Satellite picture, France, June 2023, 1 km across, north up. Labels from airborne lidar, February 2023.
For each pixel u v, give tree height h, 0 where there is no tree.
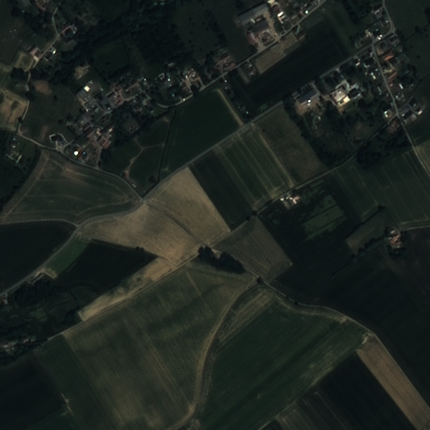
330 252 0
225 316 0
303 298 0
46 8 16
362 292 0
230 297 0
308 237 0
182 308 0
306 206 0
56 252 0
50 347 0
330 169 0
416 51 0
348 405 0
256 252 0
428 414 0
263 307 0
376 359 0
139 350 0
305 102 0
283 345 0
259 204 0
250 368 0
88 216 0
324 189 0
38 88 0
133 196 0
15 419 0
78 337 0
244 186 0
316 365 0
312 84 0
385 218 0
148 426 0
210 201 0
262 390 0
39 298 15
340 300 0
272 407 0
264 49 0
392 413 0
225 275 0
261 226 0
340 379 0
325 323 0
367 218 0
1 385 0
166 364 0
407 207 0
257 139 0
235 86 0
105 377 0
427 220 0
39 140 0
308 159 0
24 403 0
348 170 0
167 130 0
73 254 0
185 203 0
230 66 0
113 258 0
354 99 0
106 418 0
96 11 0
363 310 0
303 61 0
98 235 0
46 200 0
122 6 0
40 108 0
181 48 14
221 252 0
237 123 0
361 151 16
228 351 0
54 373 0
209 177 0
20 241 0
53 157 0
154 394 0
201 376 0
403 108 0
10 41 0
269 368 0
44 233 0
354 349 0
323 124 0
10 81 0
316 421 0
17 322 0
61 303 0
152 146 0
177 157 0
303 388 0
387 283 0
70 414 0
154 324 0
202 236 0
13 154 0
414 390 0
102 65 0
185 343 0
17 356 6
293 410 0
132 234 0
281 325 0
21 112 0
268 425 0
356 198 0
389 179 0
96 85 0
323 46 0
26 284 6
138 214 0
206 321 0
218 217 0
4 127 0
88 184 0
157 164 0
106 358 0
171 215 0
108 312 0
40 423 0
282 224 0
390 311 0
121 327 0
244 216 0
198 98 0
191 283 0
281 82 0
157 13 15
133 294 0
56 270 0
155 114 0
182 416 0
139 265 0
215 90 0
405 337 0
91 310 0
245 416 0
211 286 0
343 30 0
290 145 0
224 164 0
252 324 0
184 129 0
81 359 0
